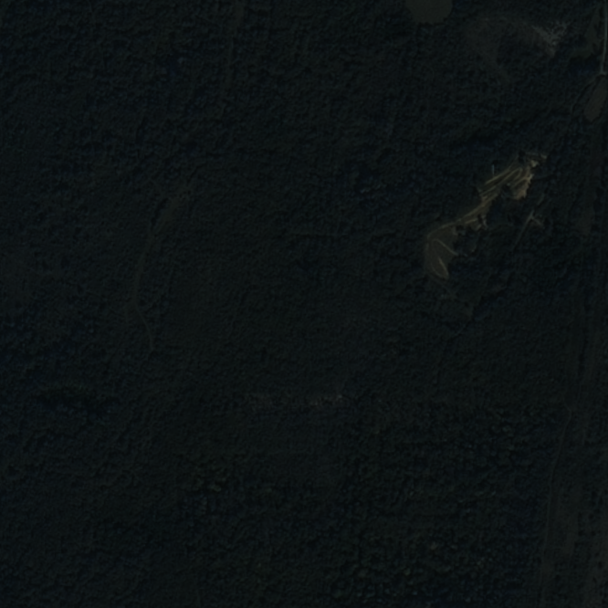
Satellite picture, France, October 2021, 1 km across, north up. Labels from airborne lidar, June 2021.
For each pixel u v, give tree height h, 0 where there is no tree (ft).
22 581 40
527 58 19
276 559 48
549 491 20
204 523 49
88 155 27
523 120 42
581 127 38
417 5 0
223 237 38
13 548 37
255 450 35
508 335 39
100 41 23
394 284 39
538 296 48
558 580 26
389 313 33
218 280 25
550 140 32
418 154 39
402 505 25
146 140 30
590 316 22
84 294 22
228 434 44
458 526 56
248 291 42
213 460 62
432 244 0
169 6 36
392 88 21
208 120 27
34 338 39
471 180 55
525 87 35
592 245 20
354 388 49
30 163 18
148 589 50
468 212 0
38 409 63
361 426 47
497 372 59
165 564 47
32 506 36
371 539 55
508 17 0
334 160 35
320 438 45
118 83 25
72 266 21
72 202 34
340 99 30
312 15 25
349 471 49
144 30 23
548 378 48
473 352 51
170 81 54
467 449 47
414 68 38
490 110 39
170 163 27
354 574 31
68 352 37
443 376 43
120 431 27
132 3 19
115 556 23
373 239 26
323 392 44
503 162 40
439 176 48
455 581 36
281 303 55
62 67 45
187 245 36
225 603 35
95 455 43
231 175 46
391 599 72
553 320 52
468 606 50
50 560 39
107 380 35
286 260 57
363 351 41
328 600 56
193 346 25
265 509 51
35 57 45
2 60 32
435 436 55
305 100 32
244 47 29
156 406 22
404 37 33
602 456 31
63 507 47
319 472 33
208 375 41
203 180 24
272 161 52
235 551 55
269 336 50
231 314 34
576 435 26
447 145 45
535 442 53
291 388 42
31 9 56
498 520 50
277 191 56
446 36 20
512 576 42
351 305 28
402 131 67
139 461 24
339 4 46
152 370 27
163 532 66
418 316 39
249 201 40
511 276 44
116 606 32
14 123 19
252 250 38
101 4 30
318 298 48
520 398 55
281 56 45
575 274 55
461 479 62
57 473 34
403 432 48
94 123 37
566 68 52
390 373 47
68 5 43
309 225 62
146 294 23
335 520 52
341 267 39
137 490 28
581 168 42
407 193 48
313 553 56
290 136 52
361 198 70
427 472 63
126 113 42
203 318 32
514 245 25
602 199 43
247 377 46
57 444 43
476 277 55
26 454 39
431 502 56
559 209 42
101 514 60
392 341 57
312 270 73
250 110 35
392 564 22
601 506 24
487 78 32
